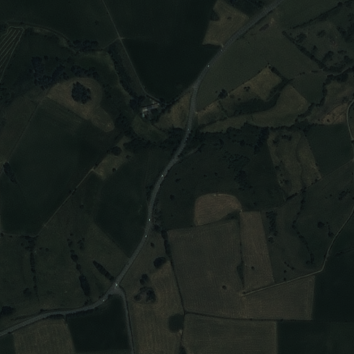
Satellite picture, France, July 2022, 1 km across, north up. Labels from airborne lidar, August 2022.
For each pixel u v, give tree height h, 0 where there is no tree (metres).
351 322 0
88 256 0
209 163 0
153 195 0
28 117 0
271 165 0
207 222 0
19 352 0
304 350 0
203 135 9
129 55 0
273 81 0
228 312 0
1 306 0
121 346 0
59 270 0
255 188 0
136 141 7
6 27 10
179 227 0
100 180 0
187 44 0
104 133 0
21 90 0
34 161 0
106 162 0
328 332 0
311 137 0
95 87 0
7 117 0
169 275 0
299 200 0
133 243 0
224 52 0
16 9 0
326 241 0
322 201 0
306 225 0
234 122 0
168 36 0
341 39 0
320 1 0
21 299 0
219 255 0
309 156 0
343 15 0
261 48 0
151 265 0
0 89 13
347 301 0
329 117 0
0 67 0
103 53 0
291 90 0
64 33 0
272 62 0
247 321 0
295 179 0
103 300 0
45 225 0
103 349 0
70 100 0
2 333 0
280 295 0
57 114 0
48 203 0
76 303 0
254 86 0
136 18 0
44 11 0
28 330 0
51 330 0
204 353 0
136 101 19
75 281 0
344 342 0
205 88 0
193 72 0
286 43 0
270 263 0
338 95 0
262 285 0
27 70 0
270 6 0
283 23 0
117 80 0
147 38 0
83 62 0
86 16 0
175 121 0
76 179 0
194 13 0
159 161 0
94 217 0
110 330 0
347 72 6
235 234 0
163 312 0
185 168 0
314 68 0
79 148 0
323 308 0
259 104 0
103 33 0
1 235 12
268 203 0
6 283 0
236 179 6
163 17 0
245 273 0
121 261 0
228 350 0
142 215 0
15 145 0
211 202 0
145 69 0
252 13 0
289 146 0
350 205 0
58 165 0
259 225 0
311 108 7
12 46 0
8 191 0
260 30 0
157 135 0
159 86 0
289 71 0
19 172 0
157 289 0
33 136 0
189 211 0
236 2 6
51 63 0
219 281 0
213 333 0
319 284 0
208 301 0
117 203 0
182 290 0
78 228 0
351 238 0
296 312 0
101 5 0
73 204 0
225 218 0
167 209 0
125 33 0
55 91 0
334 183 0
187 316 0
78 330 0
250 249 0
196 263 0
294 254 0
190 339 0
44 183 0
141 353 0
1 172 0
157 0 0
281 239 0
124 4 0
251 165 0
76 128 0
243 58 0
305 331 0
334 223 0
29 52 0
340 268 0
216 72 0
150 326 0
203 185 0
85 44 10
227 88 0
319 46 0
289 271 0
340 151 0
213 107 0
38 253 0
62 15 0
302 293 0
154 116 6
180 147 0
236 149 0
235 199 0
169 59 0
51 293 0
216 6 0
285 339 0
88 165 0
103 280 0
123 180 0
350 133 0
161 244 0
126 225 0
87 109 0
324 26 0
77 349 0
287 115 0
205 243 0
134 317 0
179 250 0
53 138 0
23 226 0
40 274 0
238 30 0
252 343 0
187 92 0
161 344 0
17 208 0
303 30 0
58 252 0
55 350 0
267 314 0
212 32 0
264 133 23
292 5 0
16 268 0
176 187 0
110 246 0
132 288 0
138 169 0
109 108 0
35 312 0
